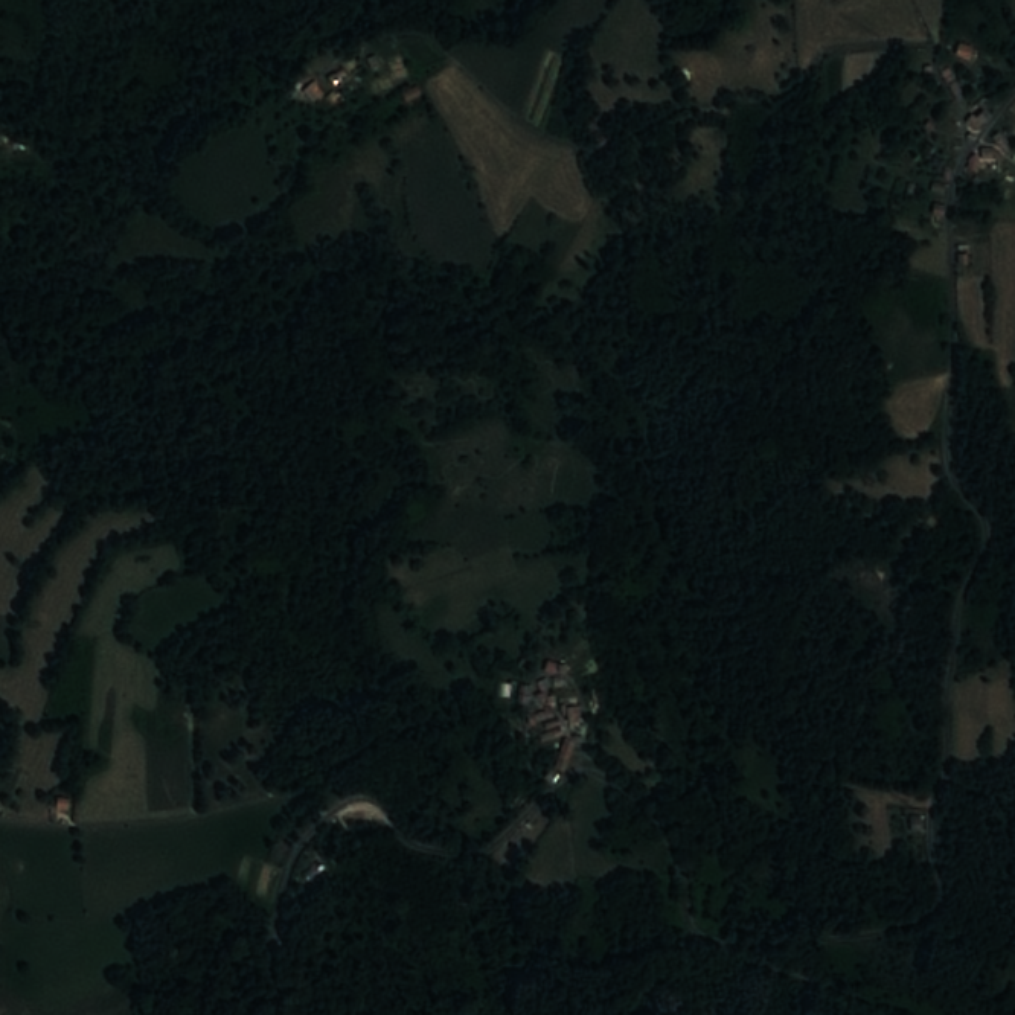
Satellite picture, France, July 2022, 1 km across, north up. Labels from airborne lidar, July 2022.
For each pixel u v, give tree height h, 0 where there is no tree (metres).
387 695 18
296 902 20
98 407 19
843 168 8
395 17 12
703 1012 24
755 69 0
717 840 15
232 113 10
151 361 16
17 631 9
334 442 18
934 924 19
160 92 7
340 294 32
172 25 8
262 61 24
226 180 0
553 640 9
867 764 9
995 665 8
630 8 0
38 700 0
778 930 17
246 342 14
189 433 26
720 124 12
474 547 0
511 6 13
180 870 0
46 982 0
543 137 0
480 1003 21
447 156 0
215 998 10
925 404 0
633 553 14
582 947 9
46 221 9
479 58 0
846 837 17
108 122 16
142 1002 28
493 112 0
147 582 0
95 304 17
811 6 0
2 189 14
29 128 17
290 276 27
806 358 25
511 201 0
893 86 14
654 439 17
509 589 0
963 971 24
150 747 0
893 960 7
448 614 0
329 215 0
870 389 15
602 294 8
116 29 7
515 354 9
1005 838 19
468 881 13
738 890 20
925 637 20
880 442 21
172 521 21
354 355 29
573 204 0
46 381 18
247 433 17
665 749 34
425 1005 6
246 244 18
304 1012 25
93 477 28
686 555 13
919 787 14
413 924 7
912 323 0
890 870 14
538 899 27
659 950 29
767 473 10
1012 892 19
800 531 21
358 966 18
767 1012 6
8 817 0
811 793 25
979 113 0
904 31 0
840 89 0
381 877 6
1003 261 0
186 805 0
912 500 11
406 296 26
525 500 0
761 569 19
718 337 24
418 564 10
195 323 21
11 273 26
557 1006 24
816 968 22
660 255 23
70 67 18
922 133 6
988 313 8
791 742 23
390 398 19
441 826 26
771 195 19
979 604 7
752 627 26
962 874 17
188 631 18
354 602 22
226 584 11
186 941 27
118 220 25
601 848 22
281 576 7
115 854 0
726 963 24
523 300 14
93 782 0
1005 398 13
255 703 20
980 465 13
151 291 6
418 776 16
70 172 25
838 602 17
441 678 0
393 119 10
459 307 14
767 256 17
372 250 21
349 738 26
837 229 26
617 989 26
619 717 9
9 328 22
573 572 13
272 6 13
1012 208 0
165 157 24
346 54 6
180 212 19
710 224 19
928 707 23
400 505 16
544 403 0
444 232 0
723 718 27
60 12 22
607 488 19
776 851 12
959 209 8
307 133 23
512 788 16
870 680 10
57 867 0
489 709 13
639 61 0
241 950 23
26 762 0
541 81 0
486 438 0
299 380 17
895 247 17
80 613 13
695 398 21
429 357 22
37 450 8
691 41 14
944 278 0
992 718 0
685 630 18
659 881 15
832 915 15
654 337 15
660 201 29
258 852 0
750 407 30
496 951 12
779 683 22
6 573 0
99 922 0
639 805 12
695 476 11
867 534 22
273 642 10
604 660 13
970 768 13
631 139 14
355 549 19
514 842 0
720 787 35
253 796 0
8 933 0
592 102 14
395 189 0
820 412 27
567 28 0
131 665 0
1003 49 7
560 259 0
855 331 19
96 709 0
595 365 18
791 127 22
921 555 19
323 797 18
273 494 23
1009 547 10
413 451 21
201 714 17
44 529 0
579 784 12
